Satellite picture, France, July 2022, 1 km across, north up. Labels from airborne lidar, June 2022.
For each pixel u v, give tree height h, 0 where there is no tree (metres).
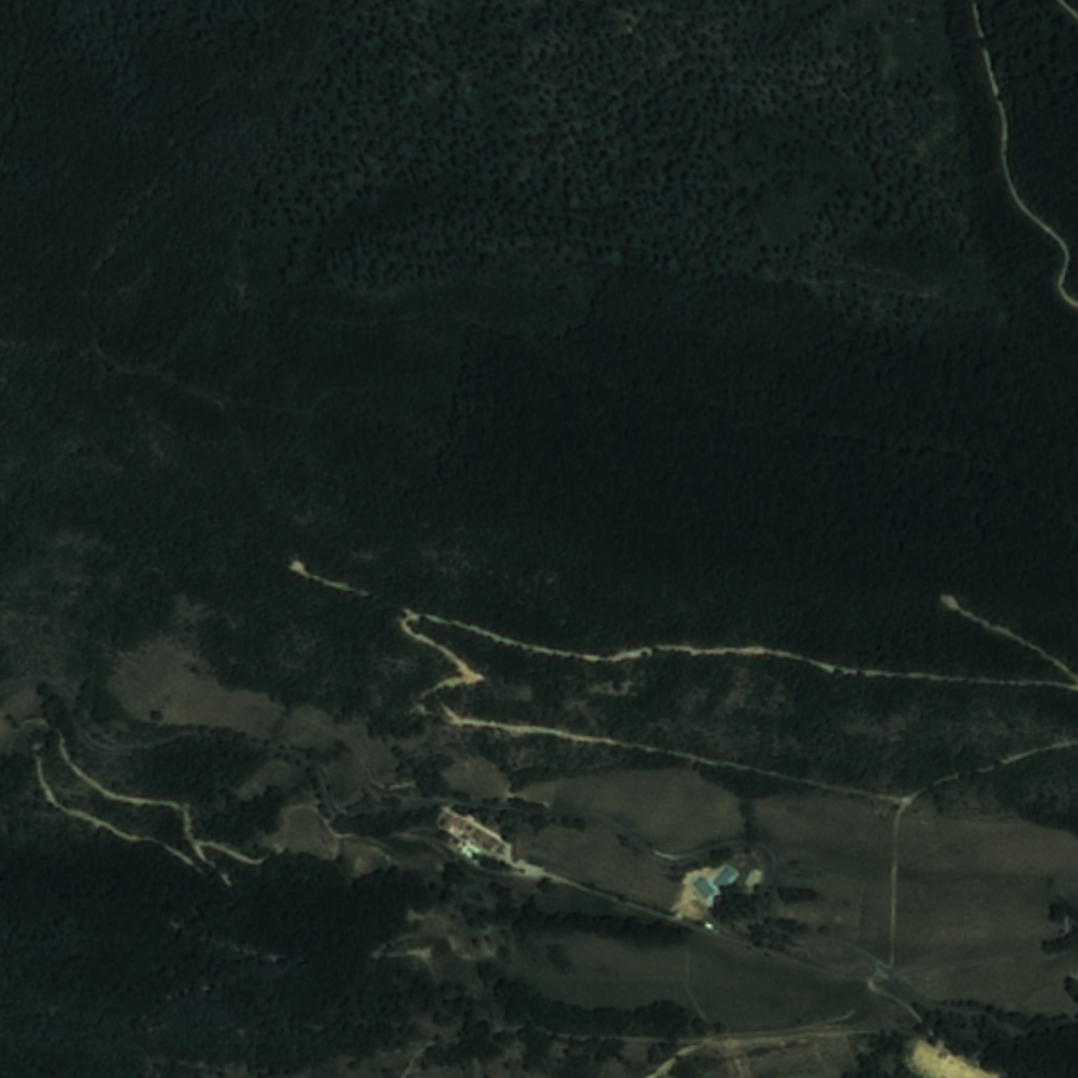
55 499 9
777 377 15
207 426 6
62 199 10
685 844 0
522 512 12
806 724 6
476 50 20
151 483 9
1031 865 0
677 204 23
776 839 0
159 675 0
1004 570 18
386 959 7
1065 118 10
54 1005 10
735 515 18
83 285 10
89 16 17
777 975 0
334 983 15
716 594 10
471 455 11
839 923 0
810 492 20
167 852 10
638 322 13
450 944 0
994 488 16
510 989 15
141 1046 8
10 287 10
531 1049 11
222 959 12
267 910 20
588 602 9
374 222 13
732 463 15
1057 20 10
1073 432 9
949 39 9
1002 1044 14
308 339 6
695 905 0
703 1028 8
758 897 9
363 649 10
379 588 13
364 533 8
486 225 7
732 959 0
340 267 19
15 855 11
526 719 10
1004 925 0
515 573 7
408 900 13
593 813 0
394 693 6
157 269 11
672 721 7
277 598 9
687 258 16
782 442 15
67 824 8
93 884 12
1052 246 11
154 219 9
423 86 20
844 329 19
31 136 12
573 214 17
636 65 15
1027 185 7
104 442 6
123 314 14
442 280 15
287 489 8
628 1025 8
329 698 9
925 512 18
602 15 19
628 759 6
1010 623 11
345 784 0
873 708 8
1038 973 0
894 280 6
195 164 10
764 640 9
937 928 0
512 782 9
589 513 9
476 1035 10
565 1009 12
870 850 0
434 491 12
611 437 11
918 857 0
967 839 0
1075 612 11
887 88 19
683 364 14
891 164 13
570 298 14
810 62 18
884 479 15
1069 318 7
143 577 6
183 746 13
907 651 9
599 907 0
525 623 11
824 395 18
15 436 8
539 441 9
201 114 12
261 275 8
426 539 9
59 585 6
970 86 19
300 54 14
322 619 12
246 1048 13
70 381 9
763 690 10
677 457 14
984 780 6
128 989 7
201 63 12
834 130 19
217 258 16
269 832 8
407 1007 8
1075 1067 12
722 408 6
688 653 7
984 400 18
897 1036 9
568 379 12
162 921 15
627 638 9
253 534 9
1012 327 15
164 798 11
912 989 0
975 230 14
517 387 16
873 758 6
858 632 7
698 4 16
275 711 0
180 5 19
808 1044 0
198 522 13
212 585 11
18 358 9
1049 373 11
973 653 8
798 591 8
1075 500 9
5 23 7
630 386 11
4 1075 9
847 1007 0
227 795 11
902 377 21
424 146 21
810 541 18
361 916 12
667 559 13
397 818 14
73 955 8
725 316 13
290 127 6
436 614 12
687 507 16
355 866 0
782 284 8
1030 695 6
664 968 0
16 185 15
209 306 13
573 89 18
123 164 13
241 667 8
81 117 12
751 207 9
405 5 21
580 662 9
